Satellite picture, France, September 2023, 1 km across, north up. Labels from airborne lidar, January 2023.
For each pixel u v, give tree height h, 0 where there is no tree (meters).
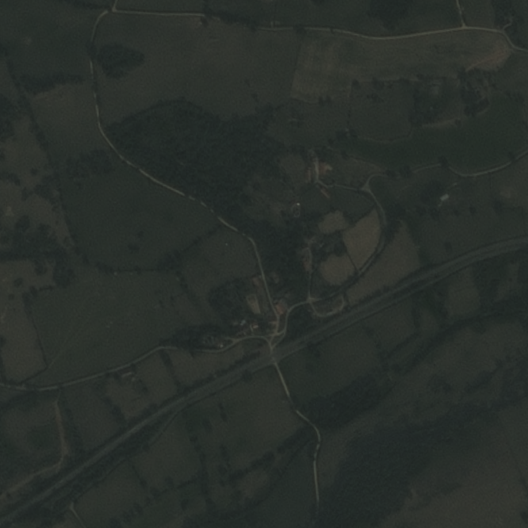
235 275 0
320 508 11
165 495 0
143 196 0
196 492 0
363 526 0
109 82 0
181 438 0
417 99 14
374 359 0
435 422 0
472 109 10
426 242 0
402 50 0
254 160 10
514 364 0
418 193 0
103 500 0
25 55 0
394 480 11
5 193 0
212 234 7
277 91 0
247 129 11
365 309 0
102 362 0
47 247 0
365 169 0
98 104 10
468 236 0
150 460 0
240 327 0
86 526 0
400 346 7
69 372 0
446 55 0
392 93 0
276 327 0
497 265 0
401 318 0
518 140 0
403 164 0
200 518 0
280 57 0
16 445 0
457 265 0
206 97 0
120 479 0
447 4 0
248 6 0
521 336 0
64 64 0
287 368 0
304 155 13
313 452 9
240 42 0
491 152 0
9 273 0
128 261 0
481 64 0
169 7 0
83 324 0
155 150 0
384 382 0
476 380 0
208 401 0
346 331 0
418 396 0
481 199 0
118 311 0
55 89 0
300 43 0
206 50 0
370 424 0
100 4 0
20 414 0
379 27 0
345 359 0
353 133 18
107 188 0
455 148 0
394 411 0
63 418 0
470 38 0
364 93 0
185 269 0
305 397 0
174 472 0
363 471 15
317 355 15
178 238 0
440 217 14
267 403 0
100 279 0
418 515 0
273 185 0
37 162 0
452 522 0
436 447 6
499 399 0
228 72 0
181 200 0
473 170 0
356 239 0
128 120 10
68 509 0
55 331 0
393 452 21
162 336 0
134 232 0
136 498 0
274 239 17
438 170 0
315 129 0
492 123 0
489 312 9
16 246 7
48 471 0
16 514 0
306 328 9
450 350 0
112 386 0
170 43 0
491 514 0
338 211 0
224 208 8
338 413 12
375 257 8
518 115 0
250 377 13
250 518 19
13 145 0
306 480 0
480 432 0
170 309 0
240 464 0
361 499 11
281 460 0
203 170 13
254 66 0
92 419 0
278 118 0
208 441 0
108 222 0
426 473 0
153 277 0
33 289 13
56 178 12
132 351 0
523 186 0
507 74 0
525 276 5
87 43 0
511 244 0
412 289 10
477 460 0
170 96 0
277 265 7
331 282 0
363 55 0
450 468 0
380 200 0
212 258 0
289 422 0
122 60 8
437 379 0
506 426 0
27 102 14
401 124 0
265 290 0
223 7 0
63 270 10
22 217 0
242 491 0
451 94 0
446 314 15
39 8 0
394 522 0
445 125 0
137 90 0
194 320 0
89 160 11
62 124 0
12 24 0
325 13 0
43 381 0
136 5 0
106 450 0
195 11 0
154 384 0
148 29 0
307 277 0
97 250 0
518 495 0
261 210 0
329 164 0
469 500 0
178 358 0
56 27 16
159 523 0
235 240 0
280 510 0
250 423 0
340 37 0
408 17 0
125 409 0
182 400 0
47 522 15
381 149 0
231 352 0
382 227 0
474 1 0
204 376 0
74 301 0
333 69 0
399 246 0
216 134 6
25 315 0
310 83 0
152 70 0
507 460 0
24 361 0
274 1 0
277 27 0
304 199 0
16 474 0
